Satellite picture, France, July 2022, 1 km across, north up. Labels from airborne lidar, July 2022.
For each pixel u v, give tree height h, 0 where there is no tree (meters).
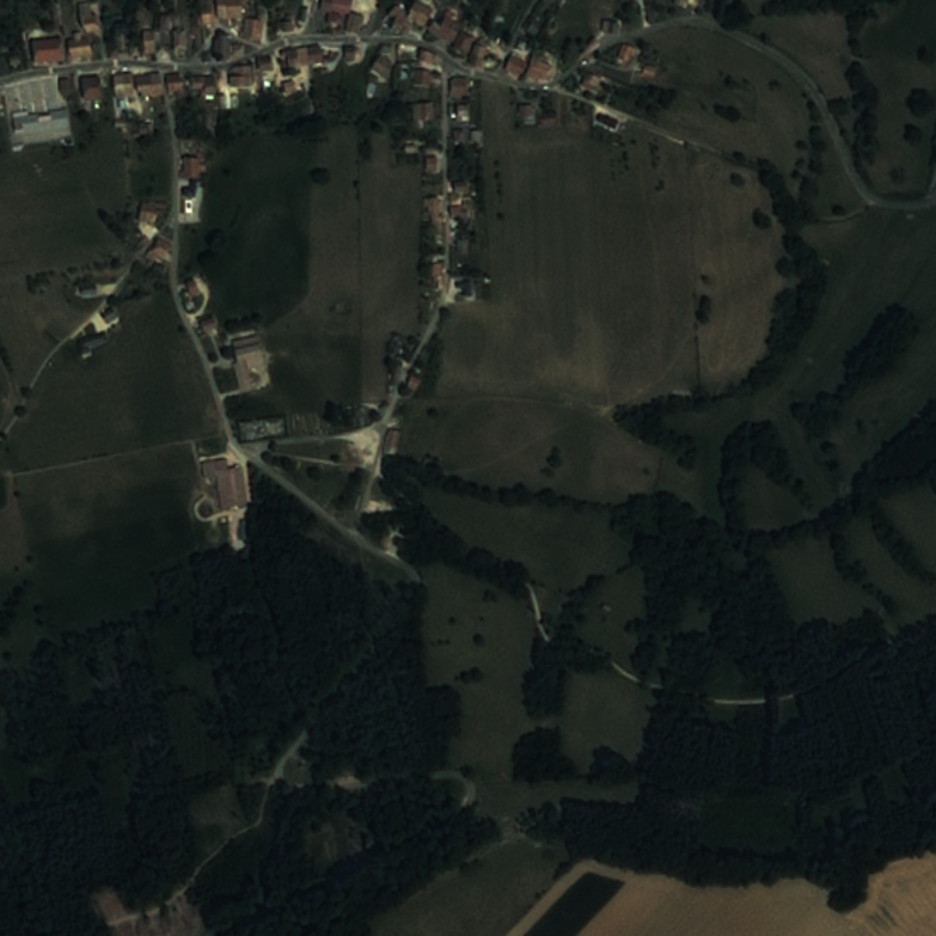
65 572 0
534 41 14
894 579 0
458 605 0
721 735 28
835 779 13
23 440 0
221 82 0
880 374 13
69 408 0
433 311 0
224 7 0
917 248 0
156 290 6
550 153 0
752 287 0
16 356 0
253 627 25
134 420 0
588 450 0
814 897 0
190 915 0
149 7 11
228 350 10
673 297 0
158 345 0
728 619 19
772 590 18
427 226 9
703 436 0
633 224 0
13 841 27
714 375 0
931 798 27
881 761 20
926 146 0
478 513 0
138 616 12
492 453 0
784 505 0
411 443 0
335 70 0
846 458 0
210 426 0
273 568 23
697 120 0
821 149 18
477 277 7
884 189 0
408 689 22
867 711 26
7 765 0
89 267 6
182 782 6
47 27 13
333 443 0
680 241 0
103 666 16
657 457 0
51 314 0
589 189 0
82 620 0
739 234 0
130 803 0
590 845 18
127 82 0
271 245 0
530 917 0
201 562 23
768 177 21
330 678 25
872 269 0
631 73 0
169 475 0
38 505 0
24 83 0
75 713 27
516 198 0
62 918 20
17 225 0
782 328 15
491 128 0
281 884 20
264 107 7
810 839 6
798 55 0
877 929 0
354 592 21
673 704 12
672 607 19
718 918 0
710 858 29
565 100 0
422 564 13
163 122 7
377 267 0
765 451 19
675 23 0
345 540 0
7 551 0
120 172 0
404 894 21
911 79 0
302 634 29
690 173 0
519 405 0
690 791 21
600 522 0
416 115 0
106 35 7
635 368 0
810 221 20
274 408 0
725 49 0
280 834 25
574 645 8
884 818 12
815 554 0
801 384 0
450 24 0
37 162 0
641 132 0
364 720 16
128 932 0
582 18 0
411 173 0
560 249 0
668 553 17
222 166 0
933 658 27
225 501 0
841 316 0
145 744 18
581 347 0
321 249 0
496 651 0
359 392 0
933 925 0
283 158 0
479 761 0
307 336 0
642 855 18
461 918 0
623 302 0
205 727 16
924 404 0
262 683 22
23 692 27
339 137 0
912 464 15
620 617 0
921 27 0
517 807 0
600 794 0
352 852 0
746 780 8
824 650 28
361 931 20
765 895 0
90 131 6
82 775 0
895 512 0
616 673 6
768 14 16
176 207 0
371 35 0
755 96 0
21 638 0
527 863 0
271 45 0
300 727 21
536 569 0
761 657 27
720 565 15
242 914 14
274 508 10
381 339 0
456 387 0
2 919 10
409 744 20
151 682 21
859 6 15
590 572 0
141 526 0
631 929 0
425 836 26
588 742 0
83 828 25
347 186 0
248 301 0
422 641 16
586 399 0
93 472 0
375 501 0
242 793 9
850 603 0
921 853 19
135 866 13
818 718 23
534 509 0
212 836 0
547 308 0
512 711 0
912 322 18
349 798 25
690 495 0
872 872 15
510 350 0
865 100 18
